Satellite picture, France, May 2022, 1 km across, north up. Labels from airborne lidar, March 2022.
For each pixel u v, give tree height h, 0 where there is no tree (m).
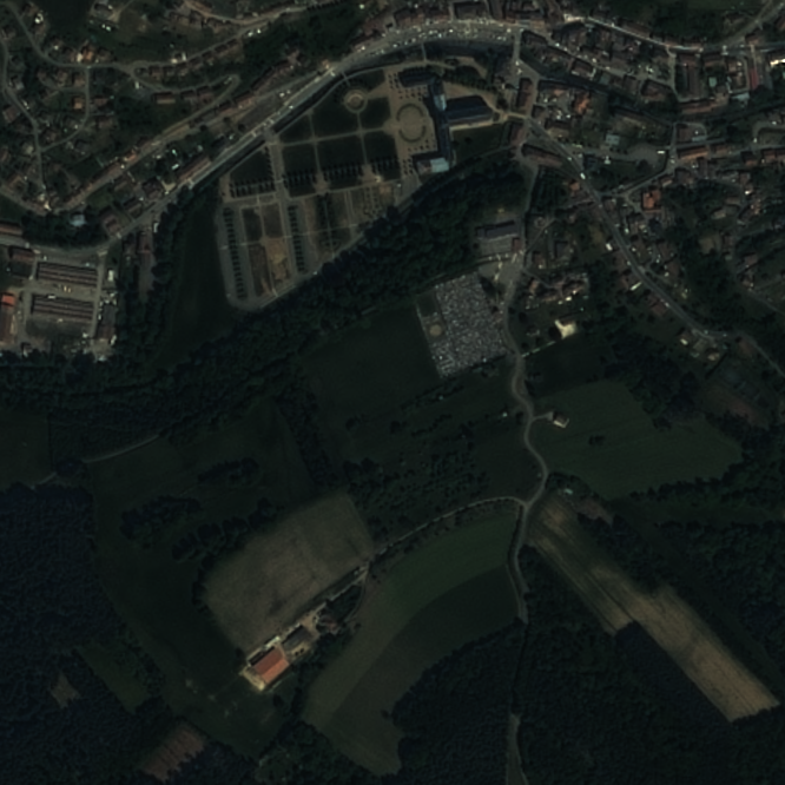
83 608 30
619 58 0
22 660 34
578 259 7
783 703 14
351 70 0
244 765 21
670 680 25
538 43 0
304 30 0
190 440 15
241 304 0
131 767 11
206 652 0
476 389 0
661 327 0
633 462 0
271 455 0
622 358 23
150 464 0
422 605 0
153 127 7
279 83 0
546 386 0
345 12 7
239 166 0
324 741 21
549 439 0
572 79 0
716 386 0
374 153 0
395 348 0
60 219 9
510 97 0
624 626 0
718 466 0
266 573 0
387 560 7
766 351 12
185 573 0
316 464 20
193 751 24
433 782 20
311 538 0
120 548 0
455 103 0
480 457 0
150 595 0
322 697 0
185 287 0
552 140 0
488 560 0
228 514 0
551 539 0
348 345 0
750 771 20
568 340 0
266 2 0
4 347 0
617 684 12
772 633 31
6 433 0
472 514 7
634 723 24
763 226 0
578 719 19
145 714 16
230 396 15
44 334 0
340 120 0
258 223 0
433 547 0
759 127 0
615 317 15
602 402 0
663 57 0
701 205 8
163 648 0
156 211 0
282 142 0
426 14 0
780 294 0
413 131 0
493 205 16
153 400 22
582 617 15
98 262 0
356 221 0
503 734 21
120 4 0
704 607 14
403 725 19
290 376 15
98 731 25
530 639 12
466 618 0
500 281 0
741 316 11
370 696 0
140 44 0
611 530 19
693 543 12
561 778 7
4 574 32
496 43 0
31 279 0
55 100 0
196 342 0
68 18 0
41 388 17
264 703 0
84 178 0
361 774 13
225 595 0
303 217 0
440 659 0
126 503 0
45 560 29
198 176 0
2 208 0
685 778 18
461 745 21
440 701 19
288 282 0
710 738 16
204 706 0
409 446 0
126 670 30
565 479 7
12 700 35
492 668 17
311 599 0
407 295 29
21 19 0
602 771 15
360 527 0
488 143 0
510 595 0
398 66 0
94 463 0
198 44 0
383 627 0
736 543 20
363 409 0
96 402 19
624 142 0
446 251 25
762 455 25
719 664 0
